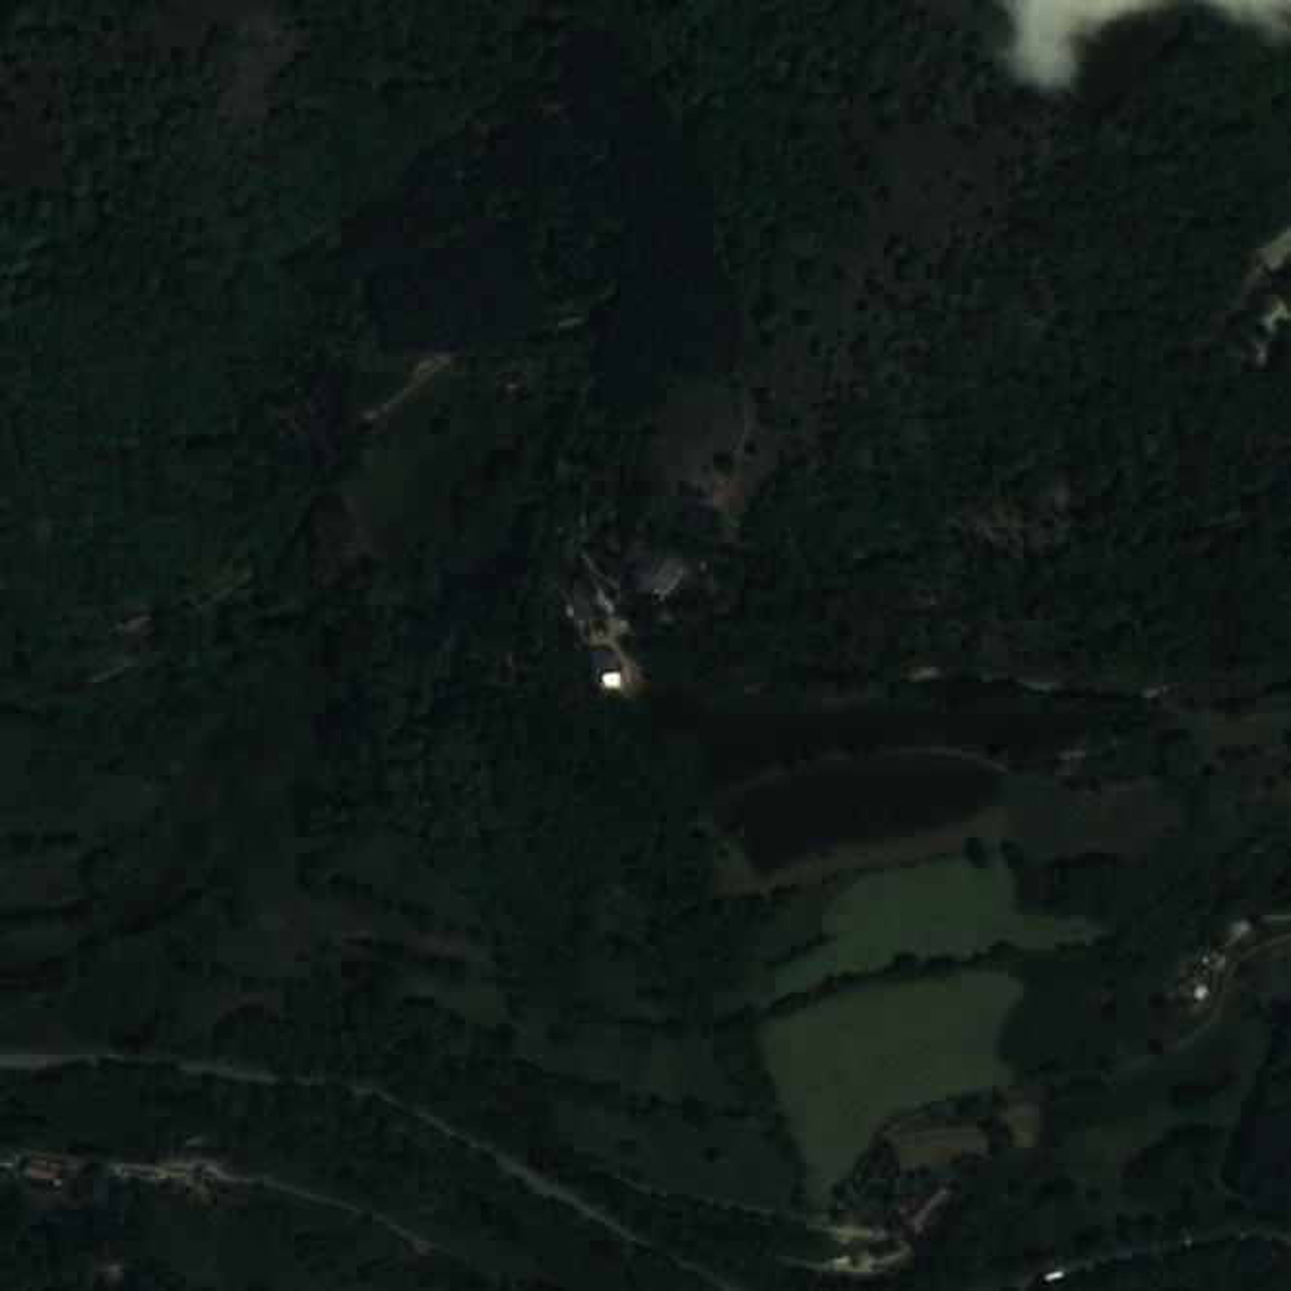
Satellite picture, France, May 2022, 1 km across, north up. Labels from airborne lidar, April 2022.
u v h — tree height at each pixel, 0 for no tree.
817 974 0
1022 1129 0
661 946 21
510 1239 27
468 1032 16
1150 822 0
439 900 0
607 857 26
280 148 20
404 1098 28
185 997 0
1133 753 0
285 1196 0
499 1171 23
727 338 21
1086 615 15
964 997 0
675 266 30
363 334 28
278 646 28
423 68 25
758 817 0
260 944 0
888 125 11
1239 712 16
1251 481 21
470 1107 27
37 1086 16
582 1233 20
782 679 24
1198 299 18
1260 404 24
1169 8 12
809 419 0
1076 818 0
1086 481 21
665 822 19
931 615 15
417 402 0
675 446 0
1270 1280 26
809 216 15
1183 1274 24
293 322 33
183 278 13
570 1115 0
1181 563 16
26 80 18
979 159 0
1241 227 28
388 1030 33
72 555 8
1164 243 20
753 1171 0
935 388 9
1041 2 0
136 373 19
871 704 0
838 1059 0
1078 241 17
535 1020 0
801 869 0
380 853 0
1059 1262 23
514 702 11
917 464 11
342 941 0
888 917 0
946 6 0
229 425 18
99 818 0
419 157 27
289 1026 10
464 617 19
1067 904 20
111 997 0
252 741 0
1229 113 21
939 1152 0
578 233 16
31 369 14
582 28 32
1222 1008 0
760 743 0
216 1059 18
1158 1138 0
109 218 17
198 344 19
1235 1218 20
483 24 21
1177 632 17
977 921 0
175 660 21
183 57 12
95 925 14
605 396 26
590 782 17
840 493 16
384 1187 22
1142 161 21
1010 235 15
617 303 30
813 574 21
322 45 18
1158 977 0
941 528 17
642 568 0
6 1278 29
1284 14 0
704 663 18
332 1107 23
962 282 13
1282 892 9
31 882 0
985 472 27
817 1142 0
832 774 0
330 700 0
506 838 14
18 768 0
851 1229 0
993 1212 0
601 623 6
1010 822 0
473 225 28
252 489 16
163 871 0
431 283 30
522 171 16
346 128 28
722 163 22
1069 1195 19
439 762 18
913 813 0
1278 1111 34
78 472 20
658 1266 23
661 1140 0
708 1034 21
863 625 24
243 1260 0
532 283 25
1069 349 19
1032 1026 0
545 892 17
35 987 22
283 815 0
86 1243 19
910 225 0
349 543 24
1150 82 14
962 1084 0
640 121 27
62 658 21
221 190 12
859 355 9
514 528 0
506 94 15
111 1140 0
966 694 22
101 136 9
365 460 18
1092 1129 0
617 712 11
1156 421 21
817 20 16
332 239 18
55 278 13
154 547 18
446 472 0
